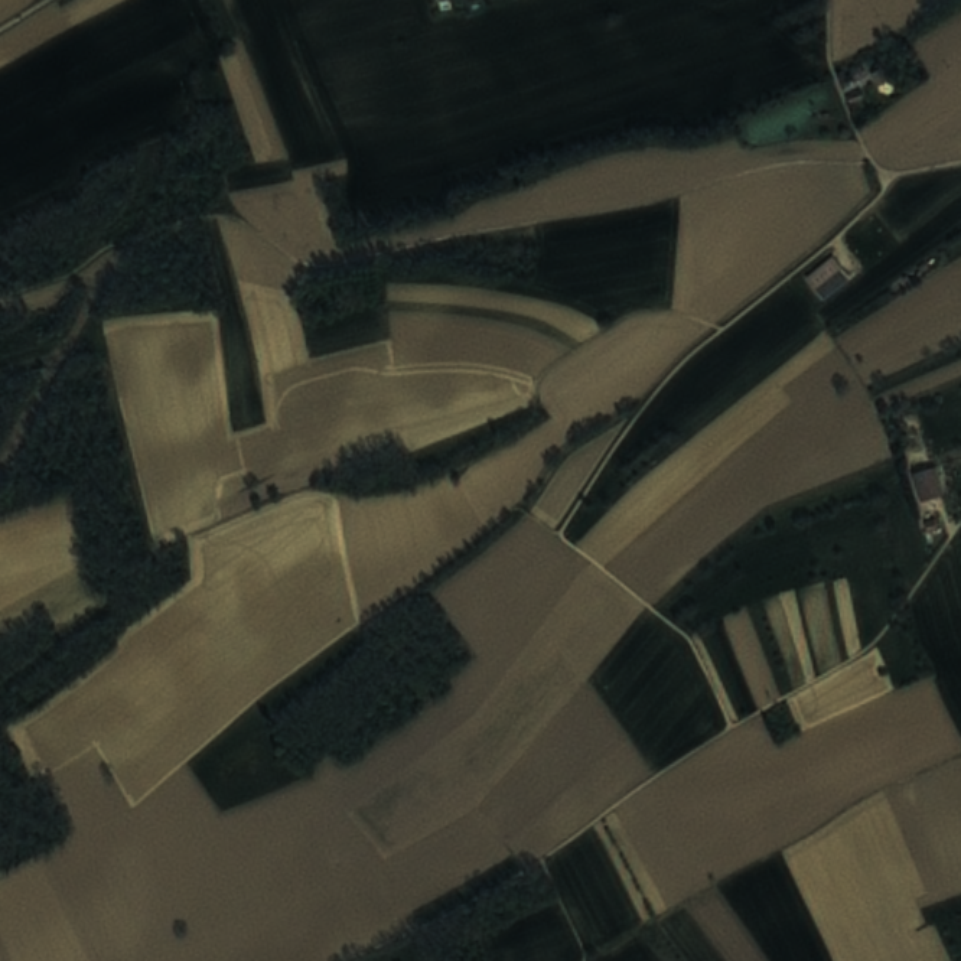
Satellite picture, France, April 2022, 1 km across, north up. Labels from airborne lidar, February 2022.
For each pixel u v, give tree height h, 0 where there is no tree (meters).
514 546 0
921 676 11
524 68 0
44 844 27
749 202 0
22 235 24
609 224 0
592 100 0
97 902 0
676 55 0
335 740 24
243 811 0
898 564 0
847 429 0
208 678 0
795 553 0
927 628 0
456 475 12
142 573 25
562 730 0
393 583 0
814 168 0
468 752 0
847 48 0
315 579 0
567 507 0
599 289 0
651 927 0
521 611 0
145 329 0
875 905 0
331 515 0
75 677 19
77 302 22
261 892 0
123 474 22
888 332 0
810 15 15
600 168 0
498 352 0
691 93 0
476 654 0
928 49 0
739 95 0
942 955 0
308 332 0
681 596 0
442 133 0
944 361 0
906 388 0
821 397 0
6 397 25
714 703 0
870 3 0
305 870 0
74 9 0
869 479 0
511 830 0
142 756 0
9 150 0
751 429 0
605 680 0
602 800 0
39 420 23
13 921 0
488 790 0
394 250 12
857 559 0
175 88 0
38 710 20
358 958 17
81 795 0
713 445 0
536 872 25
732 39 0
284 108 0
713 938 0
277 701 0
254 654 0
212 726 0
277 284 0
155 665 0
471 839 0
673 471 0
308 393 0
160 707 0
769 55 0
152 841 0
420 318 0
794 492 0
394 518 0
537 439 0
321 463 0
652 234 0
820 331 0
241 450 0
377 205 0
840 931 0
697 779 0
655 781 0
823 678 0
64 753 0
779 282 0
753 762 0
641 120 0
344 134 0
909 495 12
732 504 0
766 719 13
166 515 0
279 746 19
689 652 0
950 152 0
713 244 0
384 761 0
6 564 0
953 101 0
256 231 0
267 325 0
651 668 0
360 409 0
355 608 0
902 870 0
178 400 0
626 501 0
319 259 0
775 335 0
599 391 0
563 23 0
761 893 0
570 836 0
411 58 0
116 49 0
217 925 0
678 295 0
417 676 21
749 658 0
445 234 0
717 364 0
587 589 0
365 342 0
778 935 0
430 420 0
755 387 0
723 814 0
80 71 0
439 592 0
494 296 0
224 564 0
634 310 0
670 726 0
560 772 0
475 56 0
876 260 0
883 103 0
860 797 0
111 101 0
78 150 0
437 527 0
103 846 0
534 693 0
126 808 0
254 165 0
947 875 0
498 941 0
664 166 0
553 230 0
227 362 0
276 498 10
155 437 0
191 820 0
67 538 0
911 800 0
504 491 0
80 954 0
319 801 0
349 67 0
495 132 0
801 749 0
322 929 0
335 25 0
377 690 25
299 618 0
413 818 0
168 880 0
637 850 0
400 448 22
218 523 0
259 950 0
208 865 0
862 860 0
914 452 0
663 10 0
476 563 0
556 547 0
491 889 26
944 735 0
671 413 0
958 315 0
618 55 0
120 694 0
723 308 0
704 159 0
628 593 0
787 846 0
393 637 21
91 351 23
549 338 0
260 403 0
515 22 0
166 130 0
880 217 0
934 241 0
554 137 0
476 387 0
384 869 0
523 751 0
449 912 24
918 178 0
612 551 0
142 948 0
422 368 0
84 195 15
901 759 0
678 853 0
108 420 21
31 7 0
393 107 0
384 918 0
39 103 0
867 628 0
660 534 0
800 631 0
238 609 0
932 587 0
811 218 0
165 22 0
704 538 0
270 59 0
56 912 0
